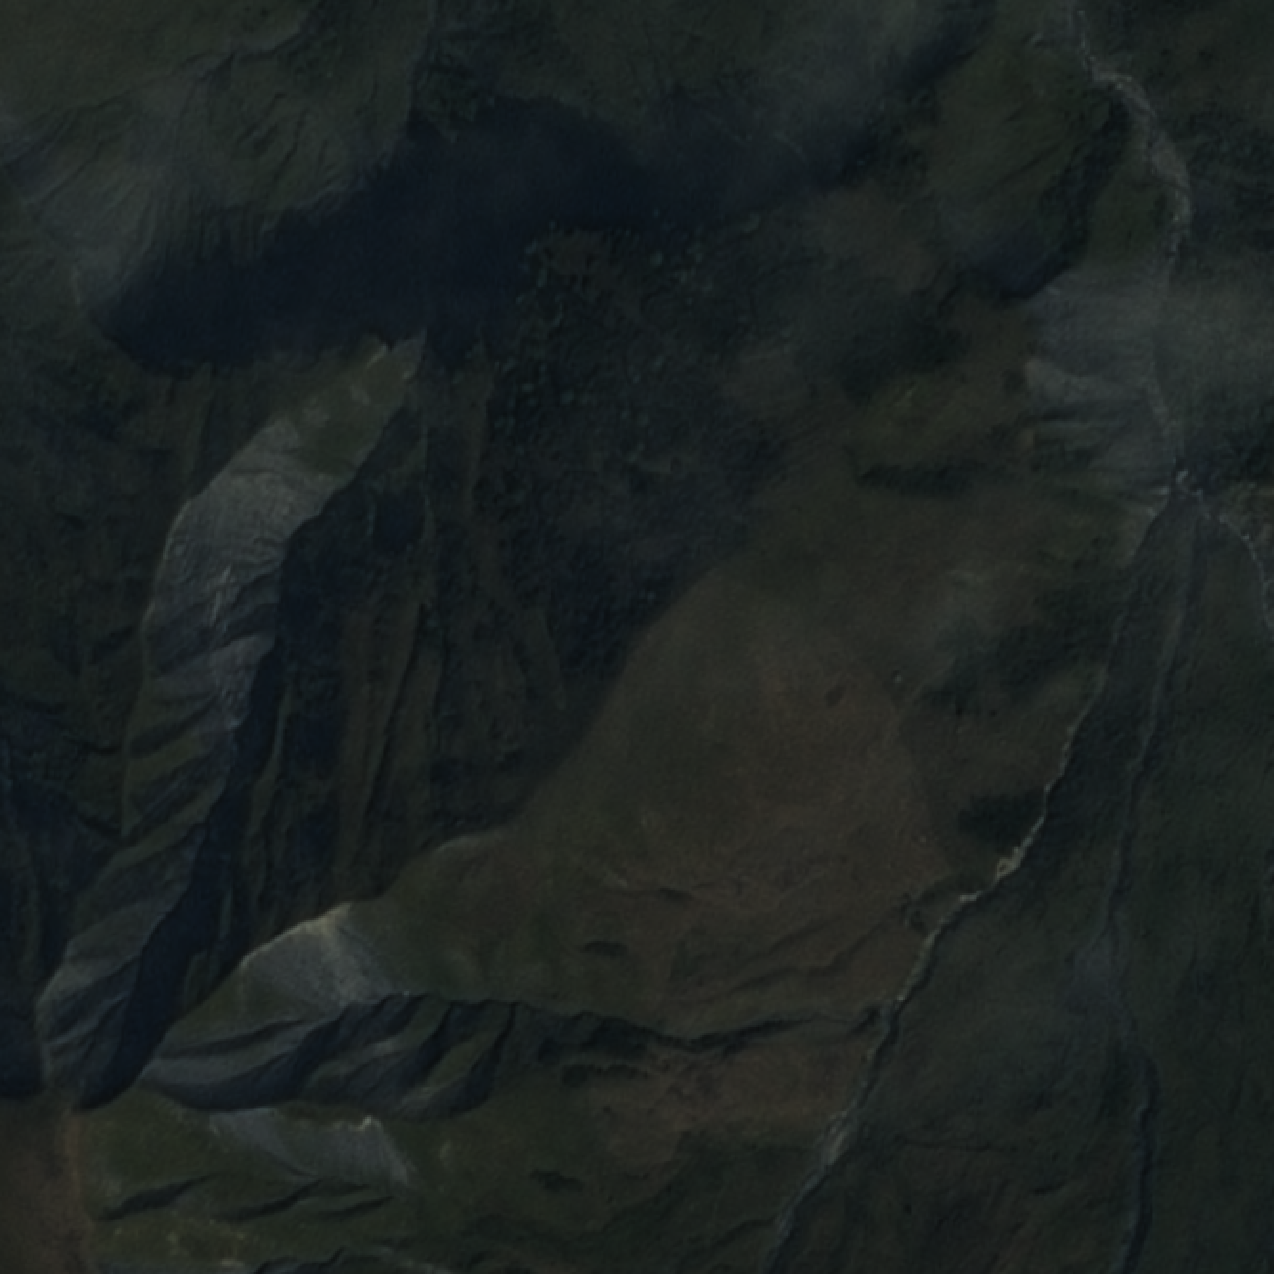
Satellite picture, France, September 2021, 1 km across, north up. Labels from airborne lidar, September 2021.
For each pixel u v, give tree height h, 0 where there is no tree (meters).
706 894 0
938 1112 0
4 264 0
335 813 0
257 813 0
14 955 0
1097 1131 0
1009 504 0
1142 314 0
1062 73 0
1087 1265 0
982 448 0
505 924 0
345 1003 0
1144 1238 0
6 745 0
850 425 0
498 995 0
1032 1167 0
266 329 0
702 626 0
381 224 0
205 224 0
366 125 0
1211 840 0
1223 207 0
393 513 0
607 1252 0
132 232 0
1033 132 0
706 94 0
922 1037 0
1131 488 0
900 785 0
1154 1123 0
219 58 0
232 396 0
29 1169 0
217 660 0
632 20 0
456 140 0
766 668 0
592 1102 0
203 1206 0
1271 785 0
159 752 0
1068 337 0
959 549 0
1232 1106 0
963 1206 0
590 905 0
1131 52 0
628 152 0
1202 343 6
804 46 0
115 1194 0
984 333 0
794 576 0
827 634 0
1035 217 0
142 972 0
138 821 0
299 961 0
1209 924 0
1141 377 0
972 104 0
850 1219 0
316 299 0
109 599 0
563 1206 0
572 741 0
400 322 0
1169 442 0
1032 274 0
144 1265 0
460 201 0
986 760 0
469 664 0
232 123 0
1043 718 0
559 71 0
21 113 0
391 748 0
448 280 0
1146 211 0
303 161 0
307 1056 0
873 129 8
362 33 0
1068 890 0
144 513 0
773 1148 0
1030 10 0
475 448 0
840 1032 0
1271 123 0
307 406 0
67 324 0
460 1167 0
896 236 0
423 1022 0
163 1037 0
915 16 0
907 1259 0
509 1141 0
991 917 0
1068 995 0
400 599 0
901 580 0
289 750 0
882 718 0
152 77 0
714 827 0
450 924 0
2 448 0
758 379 0
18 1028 0
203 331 0
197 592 0
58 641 0
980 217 0
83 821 0
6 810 0
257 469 0
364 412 0
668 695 0
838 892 0
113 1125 0
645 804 0
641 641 0
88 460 0
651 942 0
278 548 0
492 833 0
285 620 0
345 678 0
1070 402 0
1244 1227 0
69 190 0
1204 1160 0
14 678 0
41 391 0
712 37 0
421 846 0
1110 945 0
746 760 0
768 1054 0
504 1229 0
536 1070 0
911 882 0
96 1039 0
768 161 0
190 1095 0
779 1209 0
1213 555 0
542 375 9
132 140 0
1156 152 0
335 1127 0
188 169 0
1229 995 0
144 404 0
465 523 0
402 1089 0
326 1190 0
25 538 0
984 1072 0
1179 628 0
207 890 0
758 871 0
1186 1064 0
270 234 0
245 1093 0
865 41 0
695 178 0
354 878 0
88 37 0
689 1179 0
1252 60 0
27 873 0
